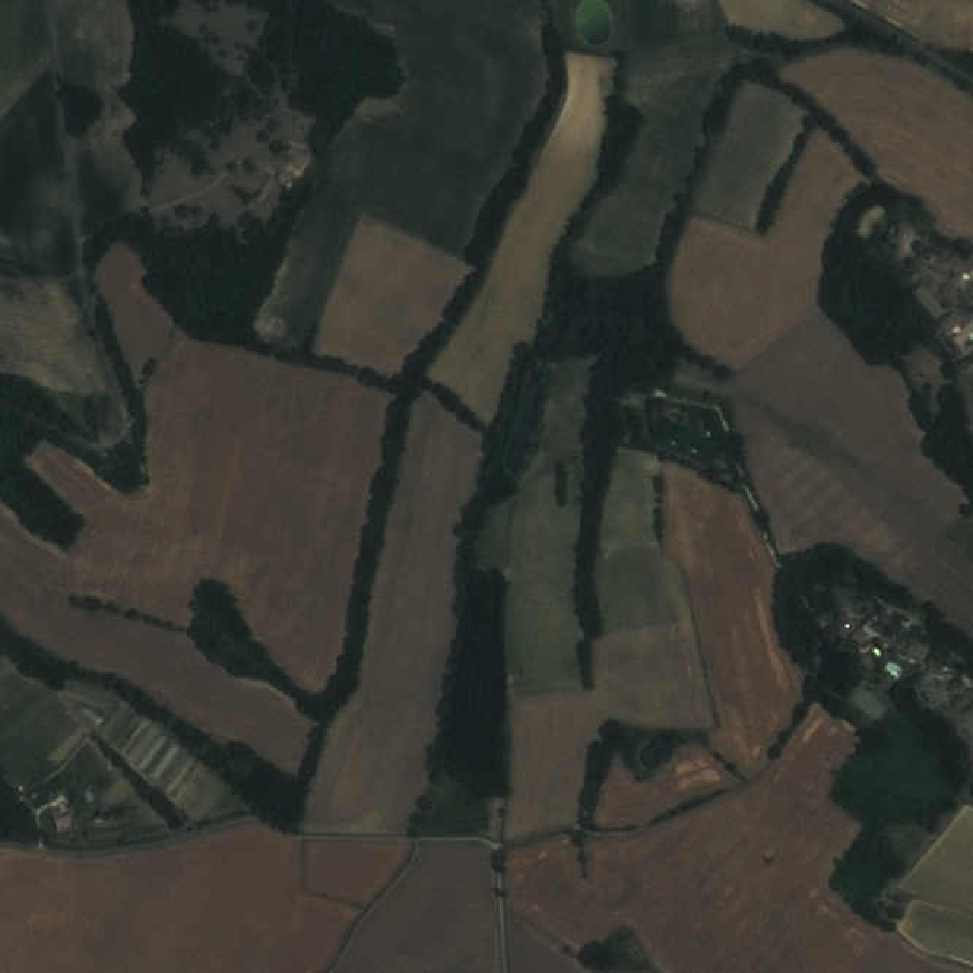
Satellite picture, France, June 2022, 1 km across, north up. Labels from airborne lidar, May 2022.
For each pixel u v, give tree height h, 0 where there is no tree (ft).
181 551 0
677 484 0
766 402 0
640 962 0
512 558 0
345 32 68
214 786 0
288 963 0
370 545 56
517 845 0
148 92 44
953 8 0
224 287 47
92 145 0
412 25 0
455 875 0
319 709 41
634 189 0
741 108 0
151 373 47
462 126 0
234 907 0
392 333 0
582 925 0
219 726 0
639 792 0
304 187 20
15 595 0
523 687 0
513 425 44
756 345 0
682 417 32
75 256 0
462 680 104
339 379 0
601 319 112
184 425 0
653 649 0
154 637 0
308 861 0
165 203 0
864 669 26
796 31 0
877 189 41
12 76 0
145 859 0
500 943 0
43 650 29
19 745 0
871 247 42
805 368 0
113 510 0
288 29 39
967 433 45
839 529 0
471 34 0
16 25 0
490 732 62
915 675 22
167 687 0
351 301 0
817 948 0
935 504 0
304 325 0
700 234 0
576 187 0
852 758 20
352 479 0
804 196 0
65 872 0
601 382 63
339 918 0
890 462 0
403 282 0
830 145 0
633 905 0
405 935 0
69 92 50
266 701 0
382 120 0
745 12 0
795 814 0
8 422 44
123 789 0
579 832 40
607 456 59
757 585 0
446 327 52
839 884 23
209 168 20
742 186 0
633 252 0
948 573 0
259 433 0
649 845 0
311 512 0
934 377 0
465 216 0
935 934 0
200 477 0
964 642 51
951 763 50
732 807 0
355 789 0
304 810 49
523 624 0
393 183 0
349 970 0
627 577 0
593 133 0
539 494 0
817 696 58
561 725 0
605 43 0
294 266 0
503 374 0
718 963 0
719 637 0
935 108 0
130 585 0
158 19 22
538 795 0
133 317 0
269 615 0
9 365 0
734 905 0
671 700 0
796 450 0
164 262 65
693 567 0
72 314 0
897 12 0
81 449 38
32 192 0
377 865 0
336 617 0
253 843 0
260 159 0
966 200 0
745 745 0
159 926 0
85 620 0
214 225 29
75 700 0
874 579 61
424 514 0
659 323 65
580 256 0
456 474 0
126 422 0
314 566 0
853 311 59
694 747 0
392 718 0
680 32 0
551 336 101
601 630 34
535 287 0
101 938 0
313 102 48
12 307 0
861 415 0
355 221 0
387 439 52
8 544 0
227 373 0
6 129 0
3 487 59
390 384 48
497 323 0
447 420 0
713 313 0
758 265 0
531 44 0
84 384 0
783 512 0
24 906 0
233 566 0
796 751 0
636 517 0
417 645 0
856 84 0
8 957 0
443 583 0
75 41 0
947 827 0
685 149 0
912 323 33
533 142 56
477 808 0
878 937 0
